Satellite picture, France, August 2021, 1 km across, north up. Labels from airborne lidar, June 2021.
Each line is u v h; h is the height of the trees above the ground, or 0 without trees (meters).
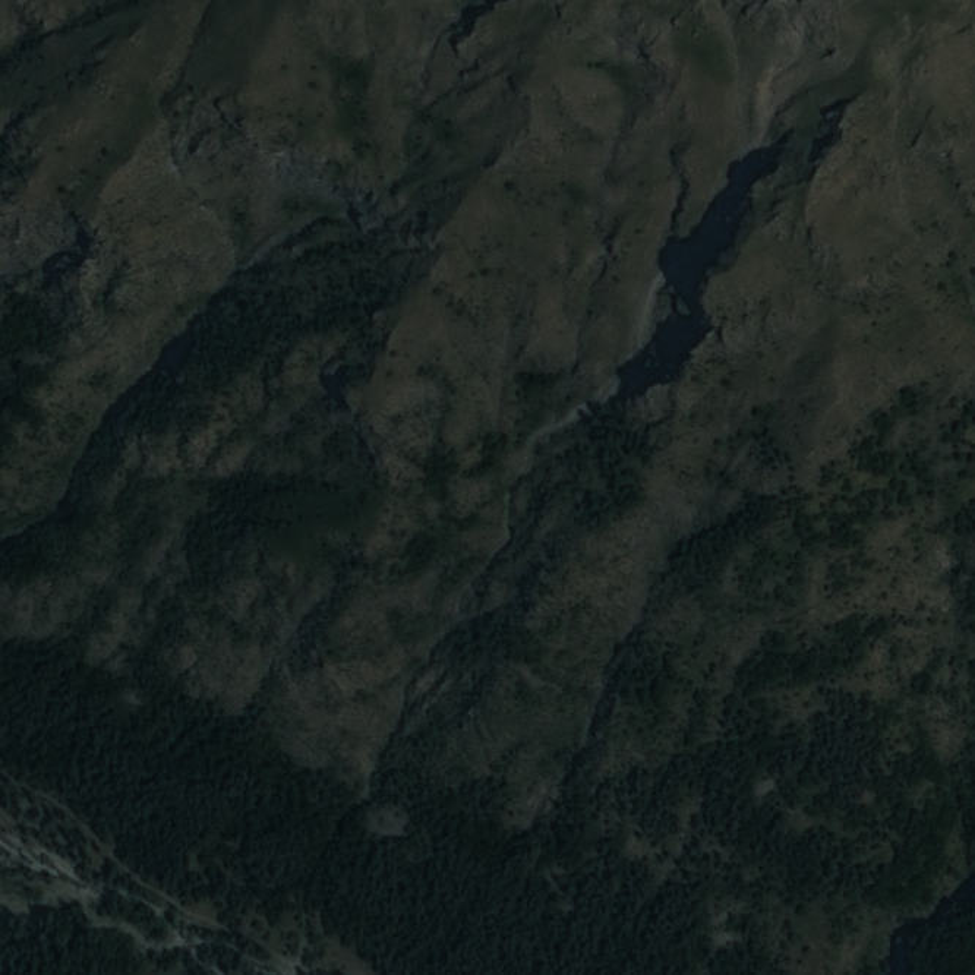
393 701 0
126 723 9
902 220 0
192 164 0
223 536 8
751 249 0
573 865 8
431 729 6
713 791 19
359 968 0
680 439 9
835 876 10
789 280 0
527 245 0
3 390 13
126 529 6
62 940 8
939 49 0
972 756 12
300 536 0
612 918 12
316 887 12
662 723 9
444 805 14
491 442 10
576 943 22
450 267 0
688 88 0
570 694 9
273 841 28
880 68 0
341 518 0
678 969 24
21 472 7
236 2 0
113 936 13
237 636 8
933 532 8
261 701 6
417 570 11
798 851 16
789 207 0
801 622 7
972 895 14
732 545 7
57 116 0
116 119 0
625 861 11
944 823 12
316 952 7
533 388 10
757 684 10
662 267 0
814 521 6
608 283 0
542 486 7
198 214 0
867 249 0
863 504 8
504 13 0
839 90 0
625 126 0
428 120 6
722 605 9
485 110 0
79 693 15
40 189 0
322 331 7
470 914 18
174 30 0
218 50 0
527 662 9
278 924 12
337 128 0
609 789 18
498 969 25
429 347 0
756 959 18
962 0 0
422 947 19
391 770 7
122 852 10
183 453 9
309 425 7
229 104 0
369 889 20
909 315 0
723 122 0
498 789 12
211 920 0
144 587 6
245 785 20
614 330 0
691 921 21
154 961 8
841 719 18
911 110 0
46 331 10
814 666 10
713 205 0
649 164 0
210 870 8
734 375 8
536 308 0
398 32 0
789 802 15
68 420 6
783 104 0
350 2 0
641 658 16
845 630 10
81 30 0
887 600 8
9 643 12
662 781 10
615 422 8
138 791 13
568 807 12
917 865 19
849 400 0
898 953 8
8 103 0
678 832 17
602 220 0
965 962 16
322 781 13
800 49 0
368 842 10
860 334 0
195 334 8
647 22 0
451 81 0
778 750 11
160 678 11
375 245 7
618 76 0
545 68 0
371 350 7
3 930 24
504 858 19
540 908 28
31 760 19
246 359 7
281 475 11
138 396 7
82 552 7
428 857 7
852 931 7
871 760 19
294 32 0
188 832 24
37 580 7
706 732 9
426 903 22
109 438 7
